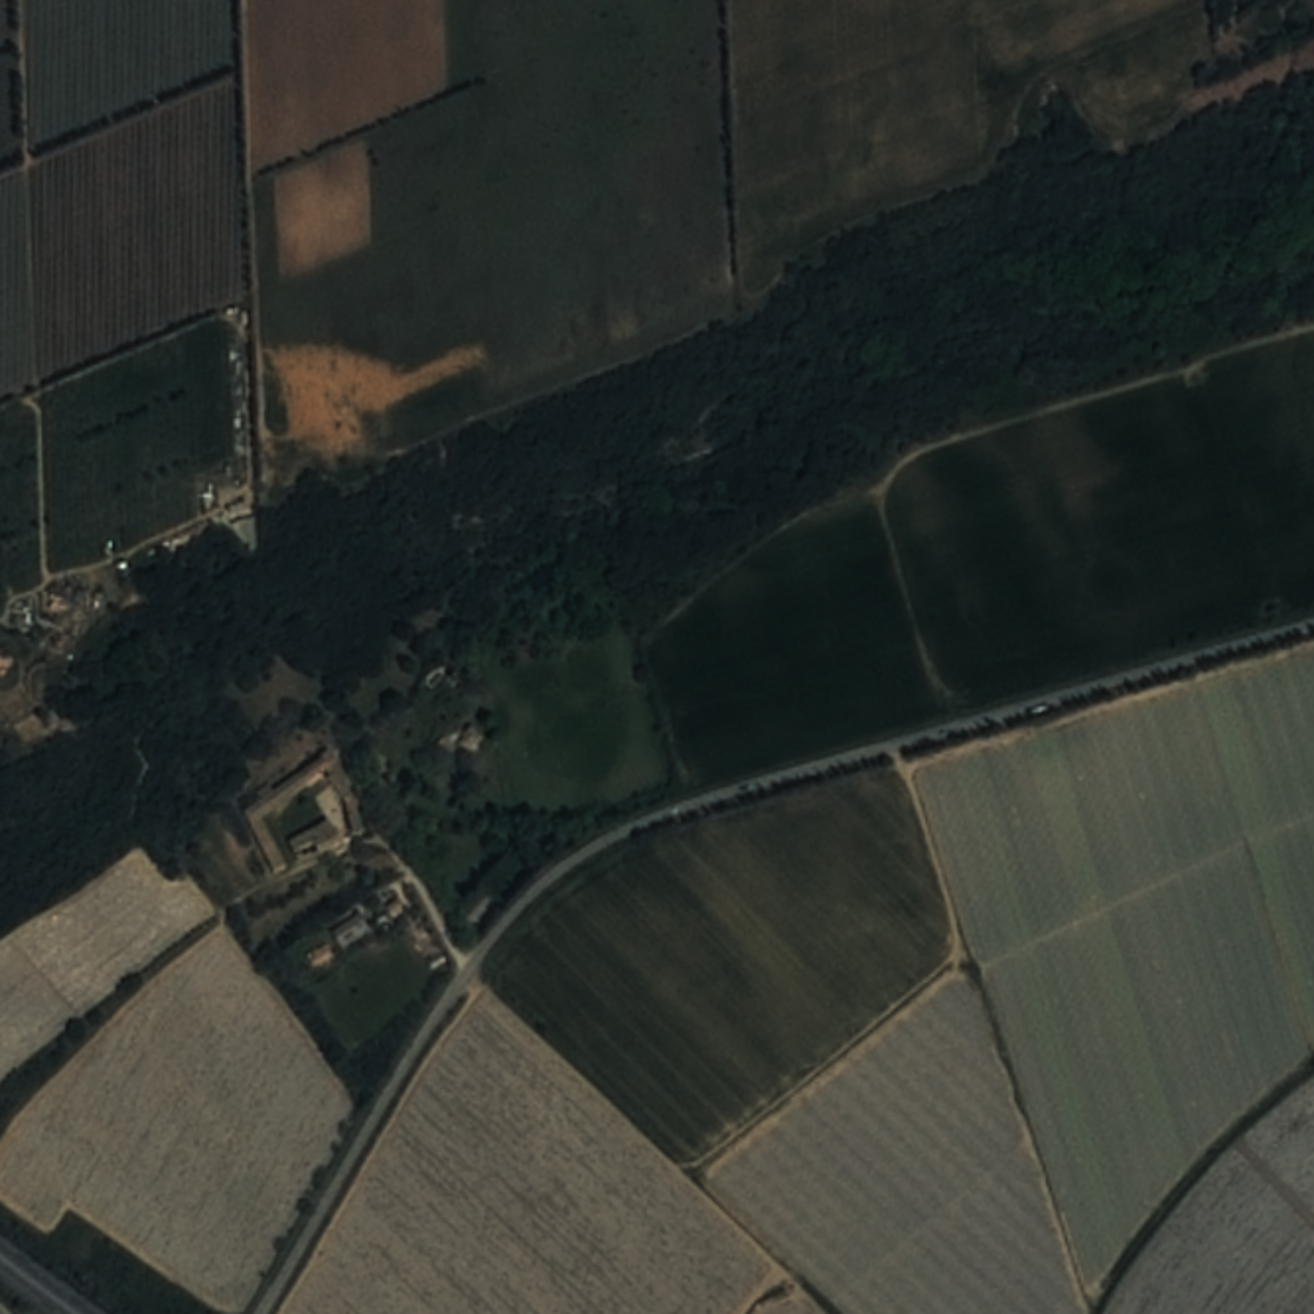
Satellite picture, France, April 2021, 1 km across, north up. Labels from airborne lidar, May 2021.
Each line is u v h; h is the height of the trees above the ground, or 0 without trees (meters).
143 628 10
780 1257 0
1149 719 0
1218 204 10
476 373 0
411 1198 0
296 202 0
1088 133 6
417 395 0
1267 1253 0
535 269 0
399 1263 0
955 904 0
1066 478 0
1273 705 0
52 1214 0
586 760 0
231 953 0
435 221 0
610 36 0
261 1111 0
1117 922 0
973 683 0
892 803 0
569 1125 0
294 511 6
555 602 27
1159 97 0
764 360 8
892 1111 0
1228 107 8
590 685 0
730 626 0
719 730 0
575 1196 0
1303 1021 0
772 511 13
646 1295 0
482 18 0
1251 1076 0
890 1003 0
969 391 8
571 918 0
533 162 0
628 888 0
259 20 0
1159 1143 0
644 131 0
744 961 0
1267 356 0
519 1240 0
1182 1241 0
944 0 0
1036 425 0
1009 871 0
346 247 0
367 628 15
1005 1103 0
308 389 0
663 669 0
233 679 13
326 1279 0
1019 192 7
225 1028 0
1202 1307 0
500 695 0
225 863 0
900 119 0
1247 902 0
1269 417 0
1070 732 0
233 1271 0
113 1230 0
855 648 0
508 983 0
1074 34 0
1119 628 0
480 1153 0
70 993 0
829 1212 0
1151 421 0
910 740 0
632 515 13
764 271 0
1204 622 0
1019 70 0
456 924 18
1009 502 0
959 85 0
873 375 13
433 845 8
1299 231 15
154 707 8
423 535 6
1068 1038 0
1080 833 0
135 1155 0
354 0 0
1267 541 0
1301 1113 0
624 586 13
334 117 0
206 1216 0
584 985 0
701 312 0
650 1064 0
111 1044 0
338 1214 0
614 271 0
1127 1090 0
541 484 7
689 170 0
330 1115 0
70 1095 0
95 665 6
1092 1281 0
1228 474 0
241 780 8
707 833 0
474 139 0
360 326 0
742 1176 0
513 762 0
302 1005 11
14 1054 0
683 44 0
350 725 17
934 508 0
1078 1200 0
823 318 7
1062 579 0
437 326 0
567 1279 0
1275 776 0
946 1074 0
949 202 5
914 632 0
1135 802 0
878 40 0
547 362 0
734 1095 0
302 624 10
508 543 11
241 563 9
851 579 0
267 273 0
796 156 0
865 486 0
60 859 5
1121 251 19
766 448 14
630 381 7
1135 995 0
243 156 7
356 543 8
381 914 7
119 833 8
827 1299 0
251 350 6
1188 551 0
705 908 0
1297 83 11
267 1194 0
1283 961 0
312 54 0
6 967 0
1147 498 0
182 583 9
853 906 0
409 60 0
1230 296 8
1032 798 0
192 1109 0
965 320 8
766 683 0
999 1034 0
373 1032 0
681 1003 0
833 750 0
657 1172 0
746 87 0
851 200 0
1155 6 0
